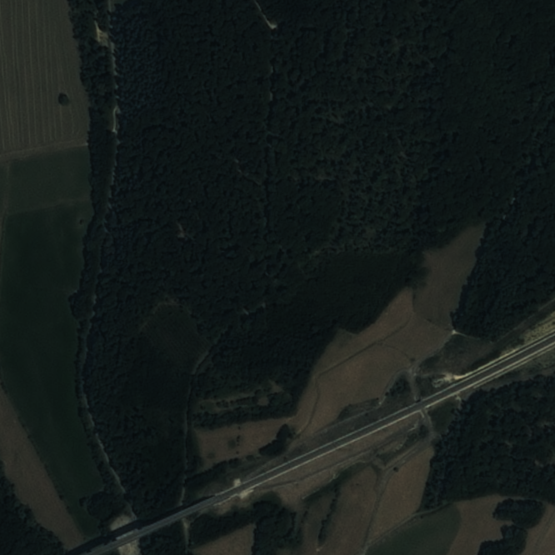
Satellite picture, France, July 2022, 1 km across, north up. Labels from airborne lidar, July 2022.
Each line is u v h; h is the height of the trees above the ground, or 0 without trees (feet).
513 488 65
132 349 69
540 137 75
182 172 81
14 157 0
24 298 0
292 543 37
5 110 0
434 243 86
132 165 77
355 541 0
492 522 0
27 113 0
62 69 0
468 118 89
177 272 98
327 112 63
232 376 21
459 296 0
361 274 25
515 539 75
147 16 81
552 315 0
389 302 23
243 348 72
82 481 0
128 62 86
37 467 0
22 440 0
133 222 39
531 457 85
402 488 0
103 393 81
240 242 108
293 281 85
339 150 72
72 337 0
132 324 86
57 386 0
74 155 0
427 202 84
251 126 92
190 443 28
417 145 94
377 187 69
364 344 0
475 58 87
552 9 100
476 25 85
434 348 0
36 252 0
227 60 82
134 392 53
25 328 0
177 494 59
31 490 0
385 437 0
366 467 0
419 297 0
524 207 80
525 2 97
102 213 54
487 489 72
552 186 86
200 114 104
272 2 49
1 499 21
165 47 109
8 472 0
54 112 0
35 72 0
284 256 105
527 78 99
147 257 100
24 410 0
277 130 77
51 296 0
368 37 81
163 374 40
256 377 39
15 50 0
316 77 89
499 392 27
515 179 86
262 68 99
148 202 93
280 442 44
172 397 42
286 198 71
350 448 0
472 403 64
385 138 84
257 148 96
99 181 71
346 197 71
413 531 0
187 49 89
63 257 0
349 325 37
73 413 0
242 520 21
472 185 86
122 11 92
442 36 98
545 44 76
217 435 0
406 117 89
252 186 97
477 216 58
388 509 0
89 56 79
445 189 93
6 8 0
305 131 67
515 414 83
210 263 96
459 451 76
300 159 86
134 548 0
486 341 70
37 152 0
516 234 88
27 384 0
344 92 80
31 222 0
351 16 95
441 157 84
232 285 116
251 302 98
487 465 72
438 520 0
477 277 72
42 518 0
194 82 104
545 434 58
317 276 36
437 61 93
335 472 0
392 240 81
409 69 71
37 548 83
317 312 36
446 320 0
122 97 109
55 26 0
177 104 98
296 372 34
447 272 0
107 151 77
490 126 89
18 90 0
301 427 0
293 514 20
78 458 0
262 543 90
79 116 0
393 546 0
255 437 0
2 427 0
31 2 0
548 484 70
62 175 0
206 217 97
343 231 67
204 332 83
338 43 94
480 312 46
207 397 39
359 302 29
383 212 59
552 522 0
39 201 0
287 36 102
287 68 71
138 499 104
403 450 0
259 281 103
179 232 102
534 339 0
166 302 83
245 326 92
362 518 0
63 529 0
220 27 89
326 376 0
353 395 0
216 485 0
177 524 27
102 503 73
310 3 56
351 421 0
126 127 77
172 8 92
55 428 0
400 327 0
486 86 84
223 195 100
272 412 28
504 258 101
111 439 84
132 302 89
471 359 0
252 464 0
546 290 89
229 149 86
